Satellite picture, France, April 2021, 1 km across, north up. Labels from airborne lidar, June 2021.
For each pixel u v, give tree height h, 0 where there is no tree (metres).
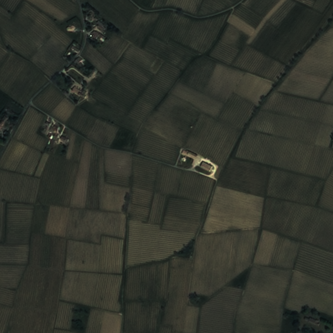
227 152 0
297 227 0
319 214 0
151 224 0
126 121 0
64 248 0
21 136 0
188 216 0
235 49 0
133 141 0
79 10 0
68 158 0
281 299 0
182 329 0
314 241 0
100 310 0
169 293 0
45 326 0
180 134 0
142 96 0
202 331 0
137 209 0
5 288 0
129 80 0
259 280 0
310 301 0
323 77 0
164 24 0
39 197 0
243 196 0
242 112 0
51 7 0
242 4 0
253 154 0
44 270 0
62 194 0
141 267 0
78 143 0
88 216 0
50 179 0
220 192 0
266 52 0
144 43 0
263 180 0
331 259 0
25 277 0
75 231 0
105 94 0
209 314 0
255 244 0
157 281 0
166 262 0
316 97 0
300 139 0
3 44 0
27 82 0
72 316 0
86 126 0
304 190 0
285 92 0
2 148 0
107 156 0
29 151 0
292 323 0
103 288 0
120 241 0
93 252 0
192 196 0
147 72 0
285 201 0
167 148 0
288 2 0
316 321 0
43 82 0
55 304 0
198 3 0
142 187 0
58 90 0
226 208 0
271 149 0
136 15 0
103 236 0
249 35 0
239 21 0
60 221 0
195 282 0
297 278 0
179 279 0
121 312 0
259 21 0
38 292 0
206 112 0
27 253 0
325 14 0
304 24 0
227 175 0
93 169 0
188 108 0
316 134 0
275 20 0
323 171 0
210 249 0
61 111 0
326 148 0
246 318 0
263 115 0
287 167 0
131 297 0
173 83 0
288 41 0
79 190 0
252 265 0
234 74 0
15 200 0
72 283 0
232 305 0
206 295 0
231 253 0
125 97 0
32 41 0
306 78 0
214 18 0
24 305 0
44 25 0
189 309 0
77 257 0
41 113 0
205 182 0
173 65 0
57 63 0
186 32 0
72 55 7
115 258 0
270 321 0
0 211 0
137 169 0
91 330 0
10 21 0
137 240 0
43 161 0
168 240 0
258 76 0
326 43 0
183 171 0
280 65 0
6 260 0
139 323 0
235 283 0
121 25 0
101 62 0
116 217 0
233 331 0
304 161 0
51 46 0
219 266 0
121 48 0
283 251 0
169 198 0
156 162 0
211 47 0
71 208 0
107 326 0
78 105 0
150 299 0
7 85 0
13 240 0
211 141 0
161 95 0
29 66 0
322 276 0
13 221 0
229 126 0
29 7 0
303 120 0
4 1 0
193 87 0
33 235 0
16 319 0
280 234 0
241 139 0
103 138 0
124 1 0
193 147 0
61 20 0
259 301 0
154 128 0
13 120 9
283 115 0
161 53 0
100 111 0
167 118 0
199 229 0
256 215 0
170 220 0
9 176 0
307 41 0
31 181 0
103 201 0
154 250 0
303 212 0
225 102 0
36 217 0
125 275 0
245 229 0
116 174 0
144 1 0
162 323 0
